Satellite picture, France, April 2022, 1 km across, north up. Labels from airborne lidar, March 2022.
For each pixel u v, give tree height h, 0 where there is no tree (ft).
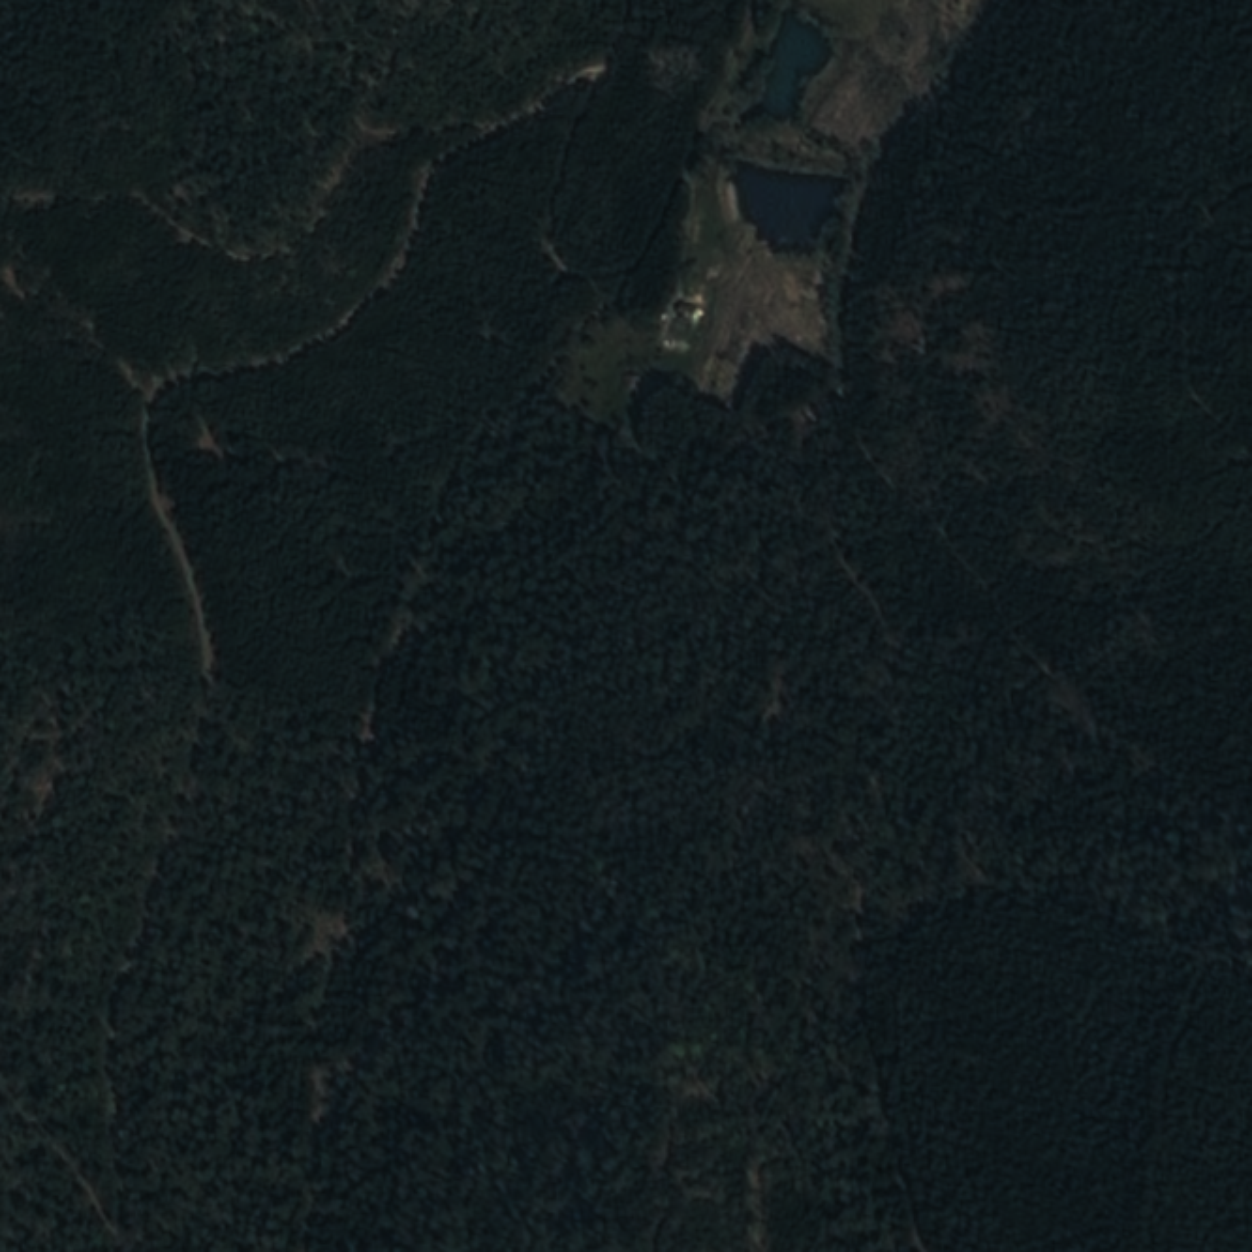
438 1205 36
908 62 0
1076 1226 41
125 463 54
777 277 0
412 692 73
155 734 93
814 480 64
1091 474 24
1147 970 50
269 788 79
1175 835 73
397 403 48
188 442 66
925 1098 59
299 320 47
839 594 44
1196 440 36
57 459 56
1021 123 51
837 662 31
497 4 71
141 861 92
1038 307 35
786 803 94
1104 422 20
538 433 100
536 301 58
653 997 75
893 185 58
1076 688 89
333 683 52
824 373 77
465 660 68
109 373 55
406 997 94
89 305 41
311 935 57
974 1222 76
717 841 86
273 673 46
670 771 86
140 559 46
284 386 51
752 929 88
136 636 88
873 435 32
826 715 83
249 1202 134
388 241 41
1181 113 43
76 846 115
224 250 40
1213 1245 42
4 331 47
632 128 58
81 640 25
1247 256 45
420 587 123
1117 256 31
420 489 71
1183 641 55
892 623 57
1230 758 63
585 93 48
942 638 77
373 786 79
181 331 63
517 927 104
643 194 56
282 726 26
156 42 66
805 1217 37
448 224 43
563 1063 83
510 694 84
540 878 91
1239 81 33
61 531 36
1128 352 52
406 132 28
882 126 0
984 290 47
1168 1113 37
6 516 38
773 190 0
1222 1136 34
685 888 88
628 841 92
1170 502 45
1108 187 42
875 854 115
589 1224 30
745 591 35
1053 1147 39
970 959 63
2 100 72
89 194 46
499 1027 95
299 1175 136
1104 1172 53
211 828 108
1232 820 101
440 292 69
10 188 38
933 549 41
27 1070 105
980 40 46
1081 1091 37
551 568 92
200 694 57
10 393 38
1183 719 84
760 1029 99
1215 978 38
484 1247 21
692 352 0
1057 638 47
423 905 40
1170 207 45
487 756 122
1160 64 31
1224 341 59
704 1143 33
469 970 97
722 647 74
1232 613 80
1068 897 31
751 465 44
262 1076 72
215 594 50
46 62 82
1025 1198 63
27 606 36
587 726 80
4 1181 111
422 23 65
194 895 94
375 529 65
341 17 90
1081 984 48
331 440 59
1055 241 44
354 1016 67
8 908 108
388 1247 42
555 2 77
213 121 91
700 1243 36
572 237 70
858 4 0
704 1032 87
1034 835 83
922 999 65
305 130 108
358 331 62
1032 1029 52
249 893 81
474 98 53
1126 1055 35
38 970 108
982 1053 59
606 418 0
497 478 52
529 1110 19
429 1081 110
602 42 42
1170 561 40
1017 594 49
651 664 82
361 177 26
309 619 75
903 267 46
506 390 68
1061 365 35
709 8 73
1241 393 71
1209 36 47
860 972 86
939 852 67
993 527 52
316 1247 71
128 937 26
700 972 75
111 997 37
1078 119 39
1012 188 50
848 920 102
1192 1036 52
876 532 56
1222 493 39
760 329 0
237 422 81
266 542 63
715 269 0
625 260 44
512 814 58
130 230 31
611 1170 108
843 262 67
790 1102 104
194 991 107
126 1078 88
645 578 63
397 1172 91
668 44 66
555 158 66
